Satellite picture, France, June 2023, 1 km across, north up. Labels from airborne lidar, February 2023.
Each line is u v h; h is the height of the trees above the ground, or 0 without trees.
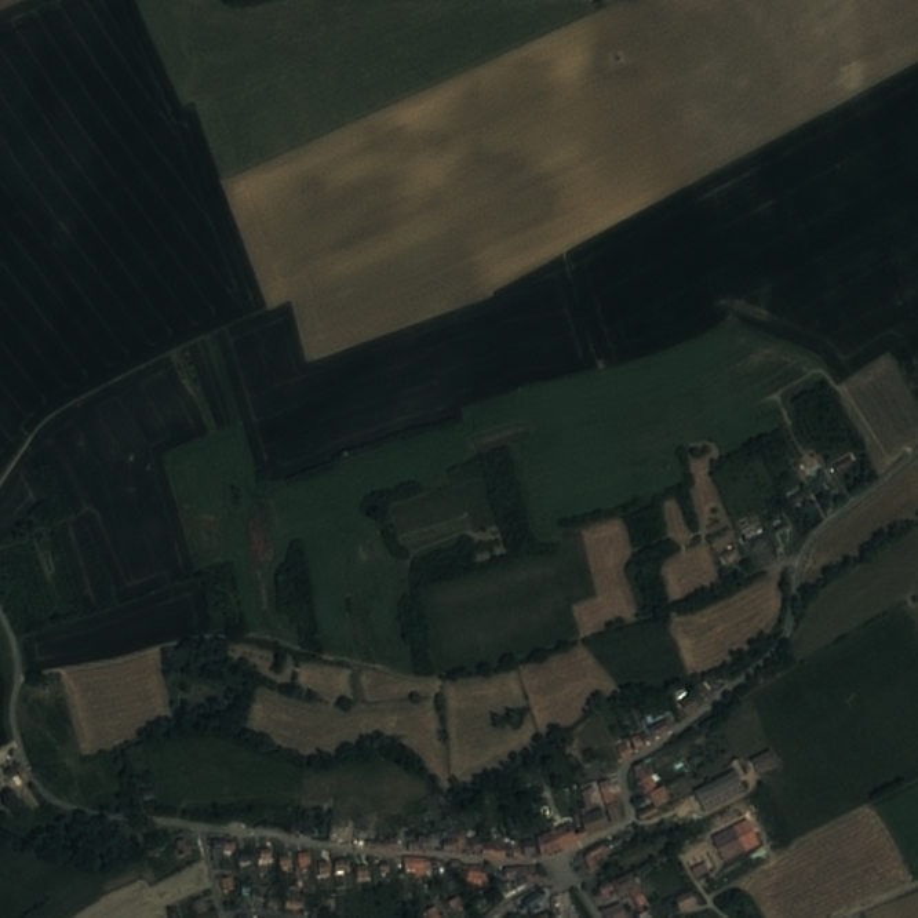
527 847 0
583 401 0
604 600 0
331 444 0
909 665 0
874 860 0
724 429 0
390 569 0
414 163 0
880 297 0
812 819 0
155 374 0
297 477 7
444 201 0
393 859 0
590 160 0
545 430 0
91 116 0
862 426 0
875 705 0
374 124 0
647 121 0
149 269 0
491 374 0
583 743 0
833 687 0
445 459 0
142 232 0
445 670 0
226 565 6
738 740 0
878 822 0
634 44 0
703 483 0
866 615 0
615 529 0
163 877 0
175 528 0
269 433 0
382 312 0
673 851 10
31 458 0
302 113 0
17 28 0
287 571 10
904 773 0
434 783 8
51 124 0
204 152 0
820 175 0
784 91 0
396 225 0
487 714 0
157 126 0
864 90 0
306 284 0
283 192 0
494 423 0
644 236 0
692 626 0
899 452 0
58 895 0
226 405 0
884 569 0
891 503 0
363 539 0
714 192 0
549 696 0
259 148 0
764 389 0
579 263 0
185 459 0
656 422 0
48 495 6
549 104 0
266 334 0
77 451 0
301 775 0
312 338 0
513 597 0
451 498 0
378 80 0
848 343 0
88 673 0
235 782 0
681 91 0
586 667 0
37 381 0
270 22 0
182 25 0
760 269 0
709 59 0
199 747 0
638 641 0
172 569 0
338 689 0
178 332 0
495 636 0
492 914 0
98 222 0
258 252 0
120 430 0
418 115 0
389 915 0
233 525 0
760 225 0
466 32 0
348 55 0
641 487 0
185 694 13
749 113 0
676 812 0
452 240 0
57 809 6
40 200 0
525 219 0
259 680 10
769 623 0
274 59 0
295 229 0
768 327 0
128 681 0
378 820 0
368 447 6
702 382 0
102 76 0
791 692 0
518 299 0
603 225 0
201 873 0
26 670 0
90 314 0
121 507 0
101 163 0
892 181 0
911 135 0
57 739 0
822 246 0
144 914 0
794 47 0
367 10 0
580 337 0
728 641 0
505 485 6
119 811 11
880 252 0
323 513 0
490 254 0
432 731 0
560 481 0
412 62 0
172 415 0
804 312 0
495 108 0
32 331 0
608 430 0
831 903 0
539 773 0
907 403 0
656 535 6
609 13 0
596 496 0
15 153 0
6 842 15
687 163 0
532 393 0
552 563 0
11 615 6
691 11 0
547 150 0
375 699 0
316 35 0
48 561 0
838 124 0
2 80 0
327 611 0
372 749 23
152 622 0
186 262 0
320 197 0
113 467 0
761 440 12
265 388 0
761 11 0
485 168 0
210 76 0
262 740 17
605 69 0
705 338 0
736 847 0
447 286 0
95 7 0
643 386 0
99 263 0
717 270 0
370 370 0
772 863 0
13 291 0
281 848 0
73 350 0
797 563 0
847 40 0
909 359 0
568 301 0
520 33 0
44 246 0
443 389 0
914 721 0
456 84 0
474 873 0
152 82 0
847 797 0
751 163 0
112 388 0
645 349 0
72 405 0
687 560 0
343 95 0
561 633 0
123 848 23
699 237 0
